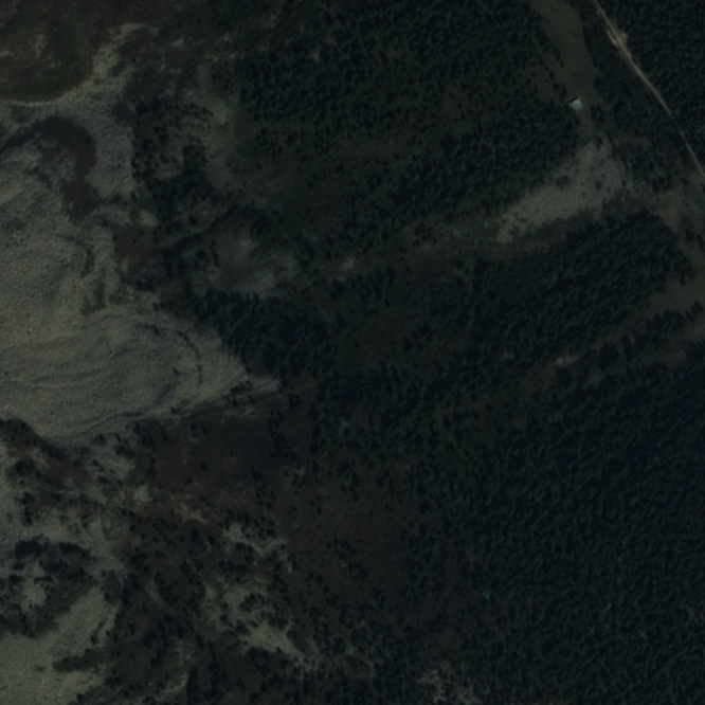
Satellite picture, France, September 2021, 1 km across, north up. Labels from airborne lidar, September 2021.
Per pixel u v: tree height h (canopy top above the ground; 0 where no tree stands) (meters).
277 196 0
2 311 0
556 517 16
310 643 0
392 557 0
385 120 9
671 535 19
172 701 0
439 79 9
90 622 0
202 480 0
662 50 28
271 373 10
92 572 0
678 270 28
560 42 0
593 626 18
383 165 7
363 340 0
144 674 0
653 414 7
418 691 12
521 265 6
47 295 0
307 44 8
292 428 0
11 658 0
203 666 0
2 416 0
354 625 9
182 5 0
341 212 0
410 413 16
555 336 24
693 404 13
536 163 16
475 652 10
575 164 0
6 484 0
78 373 0
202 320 8
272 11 12
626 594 19
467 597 9
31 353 0
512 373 16
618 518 22
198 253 0
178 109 7
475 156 16
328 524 0
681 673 19
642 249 26
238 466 0
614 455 25
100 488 0
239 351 10
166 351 0
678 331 21
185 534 0
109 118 0
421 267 0
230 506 0
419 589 7
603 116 19
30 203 0
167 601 13
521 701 11
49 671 0
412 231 0
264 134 12
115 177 0
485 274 22
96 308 0
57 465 0
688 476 12
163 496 0
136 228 0
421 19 24
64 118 0
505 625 14
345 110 23
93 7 0
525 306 7
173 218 23
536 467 15
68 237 0
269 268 0
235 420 0
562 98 8
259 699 11
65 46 0
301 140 6
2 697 0
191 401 0
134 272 0
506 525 13
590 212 0
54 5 0
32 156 0
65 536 0
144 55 0
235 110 0
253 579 0
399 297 0
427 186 16
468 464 6
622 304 27
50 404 0
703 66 24
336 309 0
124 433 0
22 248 0
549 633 12
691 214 0
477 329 9
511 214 0
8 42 0
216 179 0
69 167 0
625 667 21
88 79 0
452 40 19
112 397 0
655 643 21
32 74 0
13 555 0
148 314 0
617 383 6
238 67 6
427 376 0
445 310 8
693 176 0
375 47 18
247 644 6
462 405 13
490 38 19
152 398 0
